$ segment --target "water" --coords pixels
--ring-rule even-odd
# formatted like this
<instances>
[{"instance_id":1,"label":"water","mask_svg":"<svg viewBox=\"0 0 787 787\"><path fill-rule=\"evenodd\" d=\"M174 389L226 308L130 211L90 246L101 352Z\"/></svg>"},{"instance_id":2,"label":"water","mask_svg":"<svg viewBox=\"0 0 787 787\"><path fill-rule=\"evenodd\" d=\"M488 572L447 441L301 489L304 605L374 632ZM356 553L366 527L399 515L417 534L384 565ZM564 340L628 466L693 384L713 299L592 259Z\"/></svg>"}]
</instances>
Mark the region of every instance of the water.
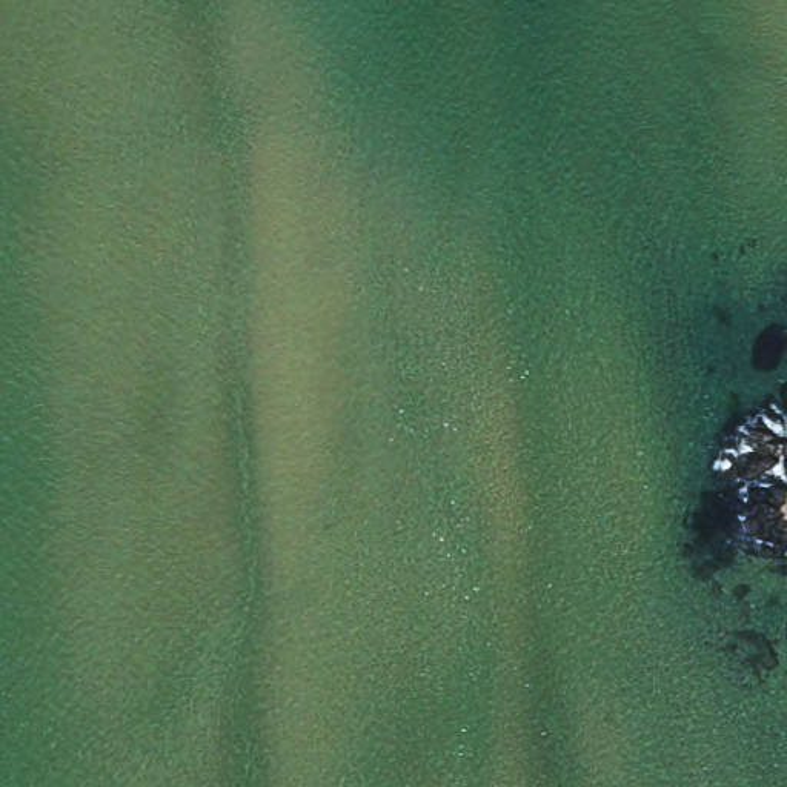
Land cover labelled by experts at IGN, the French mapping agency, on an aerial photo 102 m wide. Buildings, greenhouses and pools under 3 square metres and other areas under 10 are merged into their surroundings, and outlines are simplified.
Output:
<instances>
[{"instance_id":1,"label":"water","mask_svg":"<svg viewBox=\"0 0 787 787\"><path fill-rule=\"evenodd\" d=\"M787 0L0 0L0 787L787 787Z\"/></svg>"}]
</instances>

